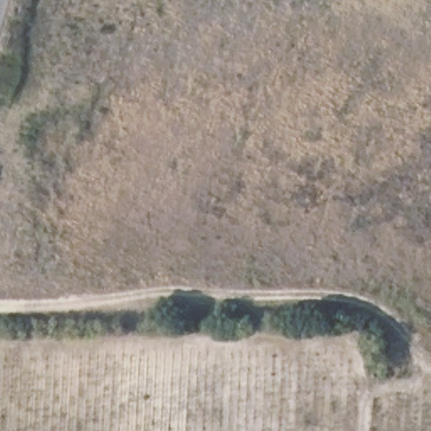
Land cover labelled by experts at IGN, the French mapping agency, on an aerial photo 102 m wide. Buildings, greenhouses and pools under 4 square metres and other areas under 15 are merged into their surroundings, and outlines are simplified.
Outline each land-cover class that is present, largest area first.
<instances>
[{"label":"herbaceous vegetation","instance_id":"1","mask_svg":"<svg viewBox=\"0 0 431 431\"><path fill-rule=\"evenodd\" d=\"M182 278H187L205 279V285L215 288L239 290L338 288L359 291L362 295L379 298V301H384L401 315V320L396 322L377 306L342 295H330L323 300L256 303L247 298L214 300L195 290L173 291V295L163 296L158 300H136L126 310L121 311H0V342L40 337L57 340L106 335L123 337L126 333H135L141 337H182L189 333H200L221 342H234L251 337L256 332L281 333L283 337L296 340L338 337L345 333L359 332L357 347L364 359L365 372L374 375L380 384L389 379L411 377L412 359L409 347L414 333L421 337L426 362L431 364V0H17L13 8L12 22L8 24L3 20L0 24V301L49 300L84 293L103 295L152 286L180 285Z\"/></svg>","mask_w":431,"mask_h":431},{"label":"vineyard","instance_id":"2","mask_svg":"<svg viewBox=\"0 0 431 431\"><path fill-rule=\"evenodd\" d=\"M359 332L345 333L338 337L296 340L283 337L281 333L256 332L251 337L234 342H221L200 333H189L182 337H141L135 333H126L123 337L106 335L57 340L40 337L0 342V431H357V394L380 384L374 375L365 372L364 359L357 347ZM370 431H431V374L423 379V396H414L411 392H396V404L387 409L380 406L379 397H374L370 411Z\"/></svg>","mask_w":431,"mask_h":431},{"label":"pervious surface","instance_id":"3","mask_svg":"<svg viewBox=\"0 0 431 431\"><path fill-rule=\"evenodd\" d=\"M195 290L214 300L247 298L256 303L323 300L330 295H342L377 306L396 322L401 320V315L384 301H379V298L362 295L359 291L338 288L239 290L215 288L205 285V279L187 278H182L180 285L152 286L103 295L84 293L49 300L0 301V311H121L126 310L136 300H158L163 296L173 295V291Z\"/></svg>","mask_w":431,"mask_h":431},{"label":"plowed land","instance_id":"4","mask_svg":"<svg viewBox=\"0 0 431 431\"><path fill-rule=\"evenodd\" d=\"M412 359L411 377L389 379L380 384L357 394V431H370V411L374 397H379L380 406L387 409L396 404V392H411L414 396H423V379L431 374V364L426 362L421 337L414 333L409 347Z\"/></svg>","mask_w":431,"mask_h":431},{"label":"impervious surface","instance_id":"5","mask_svg":"<svg viewBox=\"0 0 431 431\"><path fill-rule=\"evenodd\" d=\"M17 0H0V24L3 20L8 24L12 22L13 8Z\"/></svg>","mask_w":431,"mask_h":431}]
</instances>
